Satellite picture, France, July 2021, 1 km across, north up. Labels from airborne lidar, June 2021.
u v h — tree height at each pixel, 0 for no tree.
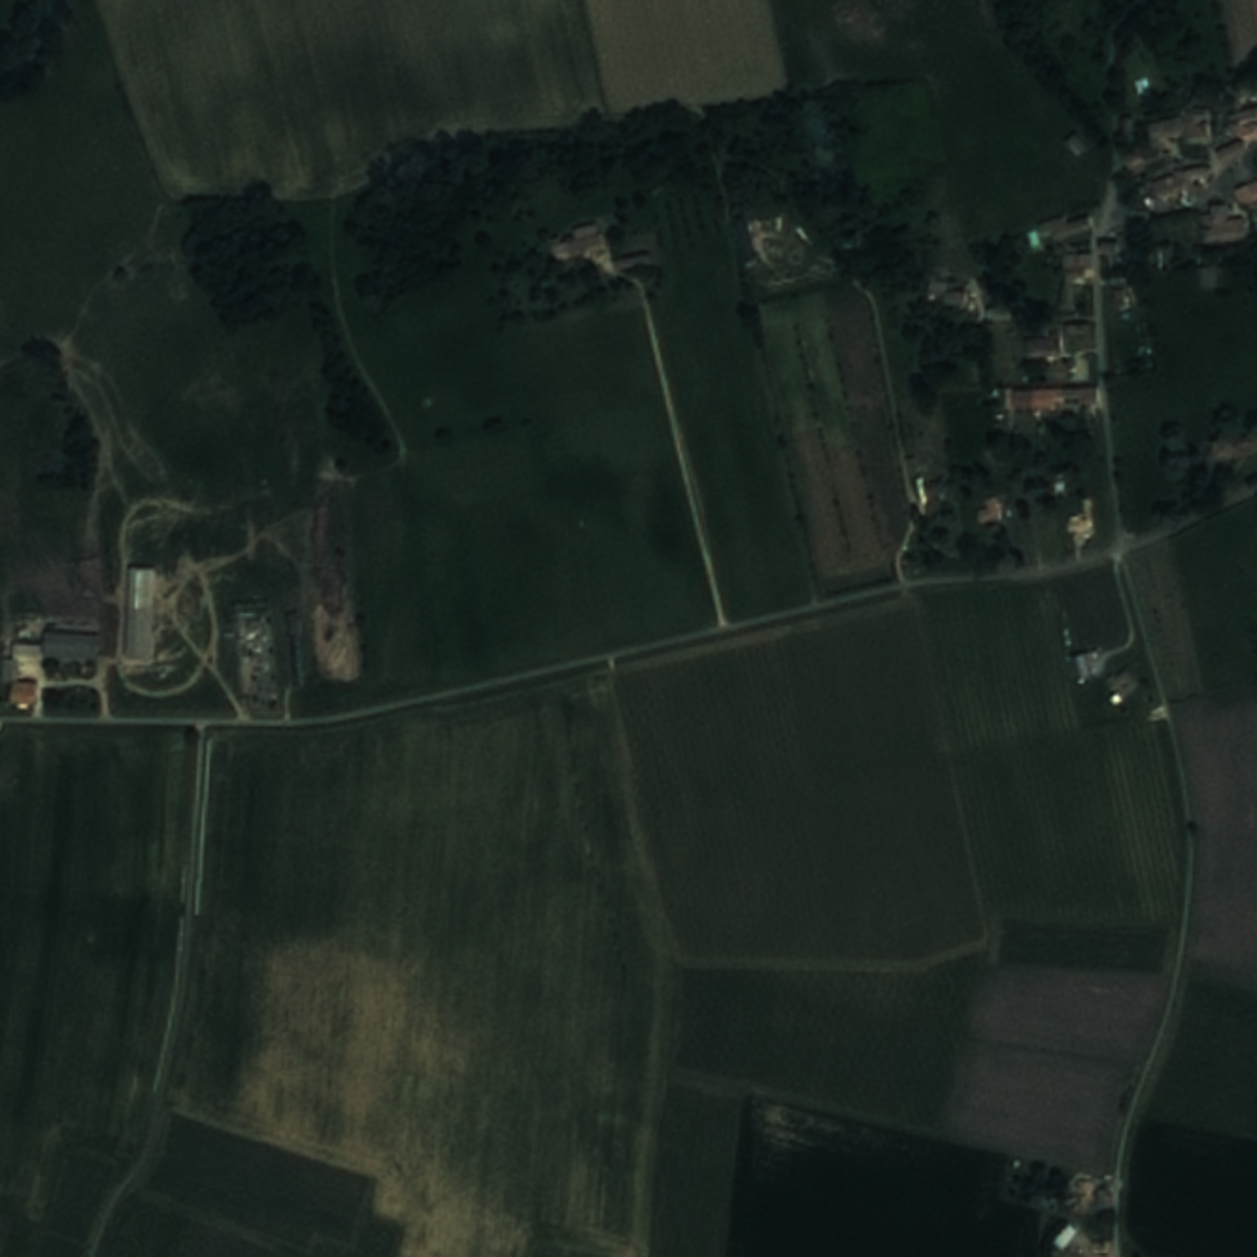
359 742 0
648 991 0
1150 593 0
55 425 0
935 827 0
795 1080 0
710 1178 0
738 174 9
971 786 0
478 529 0
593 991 0
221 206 15
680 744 0
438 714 0
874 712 0
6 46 19
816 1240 0
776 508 0
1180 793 0
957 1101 0
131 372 0
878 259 14
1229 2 0
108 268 0
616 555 0
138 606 0
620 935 0
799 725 0
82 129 0
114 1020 0
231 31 0
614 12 0
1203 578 0
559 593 0
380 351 0
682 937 0
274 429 0
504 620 0
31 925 0
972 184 0
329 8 0
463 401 0
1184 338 0
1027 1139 0
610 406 0
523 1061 0
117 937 0
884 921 0
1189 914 0
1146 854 0
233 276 14
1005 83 0
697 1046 0
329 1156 0
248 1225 0
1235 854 0
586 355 0
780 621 0
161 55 0
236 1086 0
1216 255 14
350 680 0
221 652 0
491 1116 0
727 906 0
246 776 0
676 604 0
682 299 0
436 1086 0
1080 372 0
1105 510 0
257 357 0
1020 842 0
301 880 0
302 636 0
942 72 0
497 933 0
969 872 0
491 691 0
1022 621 0
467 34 0
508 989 0
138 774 0
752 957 0
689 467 0
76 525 0
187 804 0
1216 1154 0
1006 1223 0
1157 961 0
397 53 0
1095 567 0
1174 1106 0
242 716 0
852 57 0
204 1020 0
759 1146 0
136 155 0
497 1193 0
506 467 0
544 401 0
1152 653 0
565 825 0
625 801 0
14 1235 0
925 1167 0
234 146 0
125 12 0
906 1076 0
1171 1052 0
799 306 0
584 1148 0
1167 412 0
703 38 0
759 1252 0
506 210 15
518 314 8
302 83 0
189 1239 0
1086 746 0
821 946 0
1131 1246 0
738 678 0
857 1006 0
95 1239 0
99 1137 0
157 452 0
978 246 6
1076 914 0
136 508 0
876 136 0
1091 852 0
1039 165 0
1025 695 0
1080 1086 0
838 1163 0
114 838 0
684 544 0
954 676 0
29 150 0
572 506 0
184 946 0
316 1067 0
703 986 0
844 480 0
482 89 0
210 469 0
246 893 0
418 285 11
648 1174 0
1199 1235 0
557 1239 0
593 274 16
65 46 16
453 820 0
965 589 0
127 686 0
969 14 0
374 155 0
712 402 0
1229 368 0
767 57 0
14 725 0
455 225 11
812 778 0
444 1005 0
